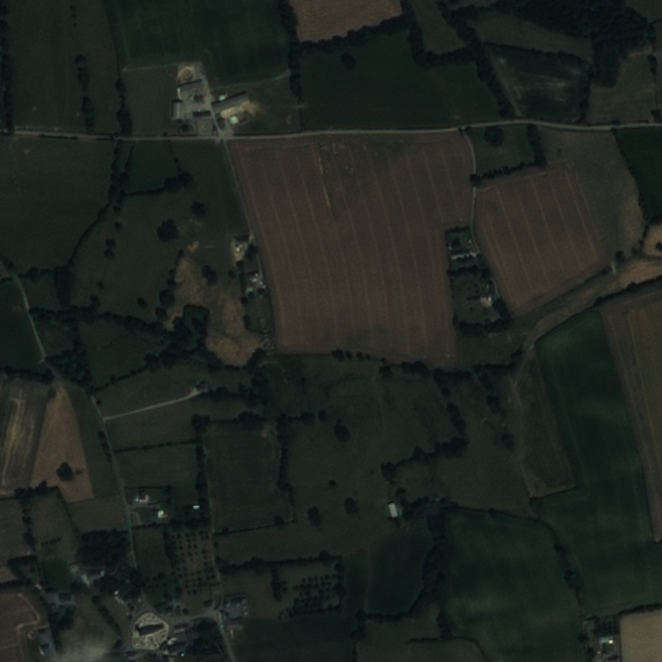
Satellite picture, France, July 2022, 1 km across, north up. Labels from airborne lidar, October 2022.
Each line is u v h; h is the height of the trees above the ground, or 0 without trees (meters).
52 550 0
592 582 0
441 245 0
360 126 0
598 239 0
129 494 0
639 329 0
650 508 0
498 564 0
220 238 0
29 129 0
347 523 0
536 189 0
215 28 0
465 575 0
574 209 0
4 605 0
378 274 0
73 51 0
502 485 0
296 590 6
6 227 0
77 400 0
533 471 0
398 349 0
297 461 0
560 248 0
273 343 0
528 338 0
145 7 0
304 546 0
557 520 0
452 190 0
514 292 0
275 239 0
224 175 0
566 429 0
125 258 0
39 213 0
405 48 0
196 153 0
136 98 0
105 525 0
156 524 8
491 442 0
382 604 0
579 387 0
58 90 0
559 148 0
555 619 0
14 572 10
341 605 8
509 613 0
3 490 0
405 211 0
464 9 10
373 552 0
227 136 0
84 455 0
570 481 0
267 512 0
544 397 0
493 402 18
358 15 0
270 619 0
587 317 0
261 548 0
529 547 0
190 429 0
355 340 0
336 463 0
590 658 6
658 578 0
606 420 0
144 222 0
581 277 0
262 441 0
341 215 0
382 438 0
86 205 0
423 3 0
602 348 0
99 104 0
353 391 0
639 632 0
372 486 0
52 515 0
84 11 0
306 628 0
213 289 0
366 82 0
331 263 0
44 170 0
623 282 0
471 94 0
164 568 0
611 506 0
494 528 0
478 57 17
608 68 30
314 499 0
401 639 0
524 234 0
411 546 0
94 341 0
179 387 0
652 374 0
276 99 0
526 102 0
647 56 0
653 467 0
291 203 0
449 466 0
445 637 8
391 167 0
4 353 0
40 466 0
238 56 0
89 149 0
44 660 0
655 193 0
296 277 0
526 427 0
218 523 0
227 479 0
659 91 0
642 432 0
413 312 0
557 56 8
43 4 0
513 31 0
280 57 0
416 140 0
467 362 0
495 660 0
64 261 0
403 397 0
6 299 0
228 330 0
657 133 0
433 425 0
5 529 0
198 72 0
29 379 12
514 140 0
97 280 0
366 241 0
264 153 0
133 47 0
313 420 12
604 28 22
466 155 0
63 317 10
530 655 0
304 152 0
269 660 0
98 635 0
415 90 0
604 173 0
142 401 0
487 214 0
